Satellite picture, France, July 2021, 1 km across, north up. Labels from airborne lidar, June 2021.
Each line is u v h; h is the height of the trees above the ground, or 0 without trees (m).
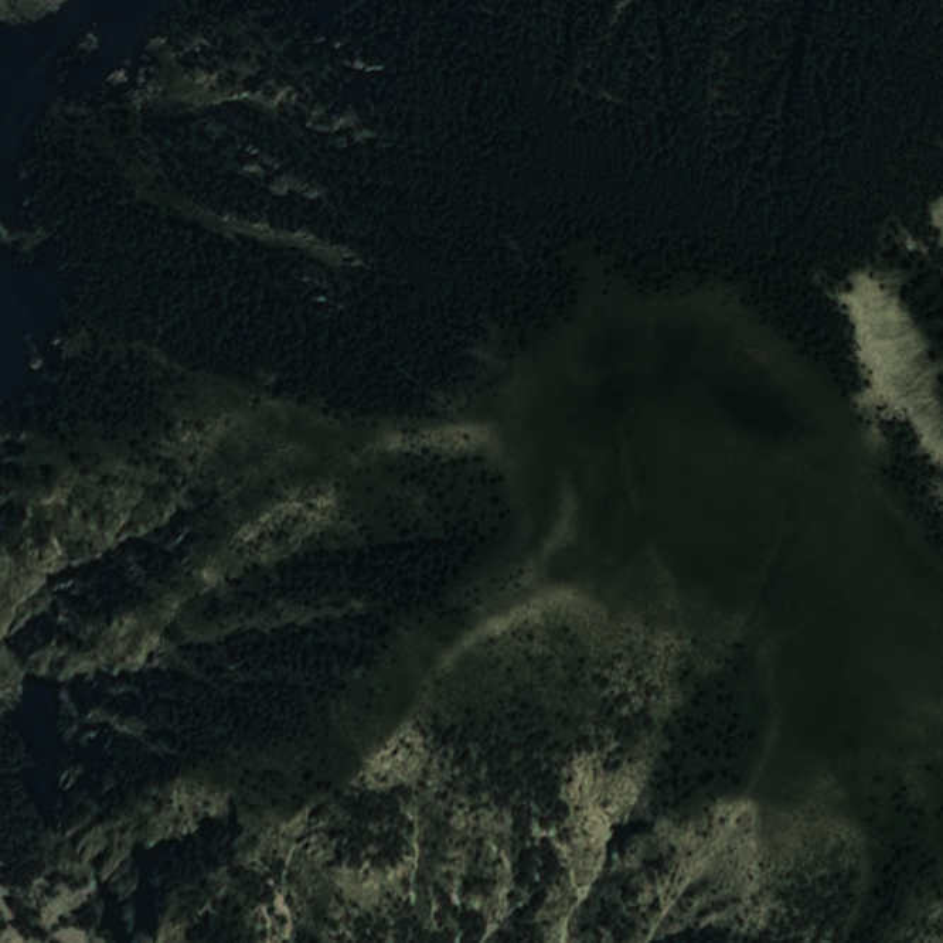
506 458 0
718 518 0
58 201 21
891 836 0
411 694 0
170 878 12
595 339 0
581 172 23
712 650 0
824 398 0
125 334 13
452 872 7
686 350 0
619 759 9
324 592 9
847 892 9
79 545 9
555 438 0
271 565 0
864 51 24
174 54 0
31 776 9
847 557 0
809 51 32
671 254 13
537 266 12
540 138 23
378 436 0
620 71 18
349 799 8
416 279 17
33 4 0
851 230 20
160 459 12
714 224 20
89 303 13
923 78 22
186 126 12
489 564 0
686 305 0
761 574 0
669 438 0
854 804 0
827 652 0
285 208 16
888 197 23
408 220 18
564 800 8
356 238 16
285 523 6
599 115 16
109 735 10
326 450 0
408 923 7
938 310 15
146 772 16
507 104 24
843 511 0
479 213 16
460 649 0
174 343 17
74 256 13
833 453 0
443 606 8
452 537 8
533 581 0
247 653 14
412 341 14
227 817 0
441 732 10
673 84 27
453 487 9
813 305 15
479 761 10
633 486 0
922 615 0
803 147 24
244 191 17
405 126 14
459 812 0
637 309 0
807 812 0
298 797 9
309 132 13
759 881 0
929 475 11
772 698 0
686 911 6
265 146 21
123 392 10
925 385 0
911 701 0
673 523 0
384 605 7
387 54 20
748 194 24
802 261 12
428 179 15
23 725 8
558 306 11
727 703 7
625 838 21
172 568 11
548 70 19
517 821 11
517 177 23
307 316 7
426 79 28
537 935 9
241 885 7
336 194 13
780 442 0
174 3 19
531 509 0
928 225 13
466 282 19
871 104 17
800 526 0
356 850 6
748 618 0
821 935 8
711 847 0
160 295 19
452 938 6
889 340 0
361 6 19
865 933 6
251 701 10
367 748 0
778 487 0
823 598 0
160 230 15
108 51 0
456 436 0
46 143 18
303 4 16
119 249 19
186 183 17
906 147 21
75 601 15
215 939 9
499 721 7
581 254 0
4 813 11
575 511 0
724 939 6
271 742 9
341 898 10
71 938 0
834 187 21
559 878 7
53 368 12
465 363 9
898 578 0
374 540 10
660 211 18
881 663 0
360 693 0
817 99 28
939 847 0
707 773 8
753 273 13
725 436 0
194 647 11
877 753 0
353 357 22
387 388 17
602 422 0
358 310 8
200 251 18
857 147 19
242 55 11
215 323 20
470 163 12
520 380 0
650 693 7
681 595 0
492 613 0
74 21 0
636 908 7
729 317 0
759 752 0
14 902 23
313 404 0
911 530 0
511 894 10
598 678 7
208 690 12
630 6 11
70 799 13
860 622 0
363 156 20
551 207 21
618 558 0
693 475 0
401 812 11
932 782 0
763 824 0
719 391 0
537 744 8
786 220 17
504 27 21
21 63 11
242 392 0
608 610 0
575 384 0
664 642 0
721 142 14
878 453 0
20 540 6
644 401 0
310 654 19
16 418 10
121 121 8
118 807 9
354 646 7
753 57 18
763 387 0
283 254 7
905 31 16
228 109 12
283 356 20
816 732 0
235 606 6
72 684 0
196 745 7
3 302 0
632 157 25
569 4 7
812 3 6
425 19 20
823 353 12
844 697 0
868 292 0
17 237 9
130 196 16
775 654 0
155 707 8
